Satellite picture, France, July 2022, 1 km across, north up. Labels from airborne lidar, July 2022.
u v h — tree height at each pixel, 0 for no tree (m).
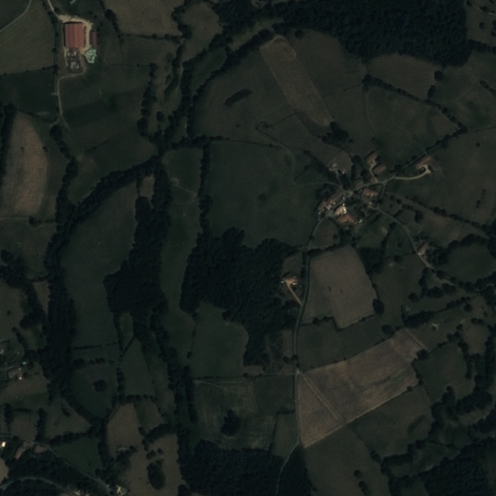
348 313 0
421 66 0
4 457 9
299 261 0
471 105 0
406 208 8
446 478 9
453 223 0
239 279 12
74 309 18
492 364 20
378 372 0
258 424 0
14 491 10
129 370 0
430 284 0
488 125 0
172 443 0
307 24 19
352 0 25
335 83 0
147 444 12
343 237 9
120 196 0
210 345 0
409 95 10
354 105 0
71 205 23
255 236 0
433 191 0
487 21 0
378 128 0
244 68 0
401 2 8
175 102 0
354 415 0
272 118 0
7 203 0
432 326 0
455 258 0
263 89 0
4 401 0
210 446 24
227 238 17
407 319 13
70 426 0
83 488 16
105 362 11
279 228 0
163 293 18
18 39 0
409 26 10
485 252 0
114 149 0
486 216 0
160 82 0
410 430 0
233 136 0
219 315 0
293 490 7
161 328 17
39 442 15
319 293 0
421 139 0
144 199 15
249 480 22
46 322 20
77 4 0
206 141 16
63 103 0
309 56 0
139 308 26
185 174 0
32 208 0
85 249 0
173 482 0
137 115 0
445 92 0
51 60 0
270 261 14
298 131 0
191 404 7
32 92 0
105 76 0
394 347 0
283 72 0
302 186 0
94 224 0
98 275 0
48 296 0
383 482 0
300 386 0
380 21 16
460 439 0
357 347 0
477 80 0
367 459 0
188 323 0
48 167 0
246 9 23
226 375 0
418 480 14
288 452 0
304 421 0
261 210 0
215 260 17
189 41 0
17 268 18
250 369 0
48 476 12
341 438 0
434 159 0
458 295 0
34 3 0
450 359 0
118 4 0
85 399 0
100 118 0
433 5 29
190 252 0
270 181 0
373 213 9
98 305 0
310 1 17
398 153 0
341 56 0
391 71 0
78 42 0
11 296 0
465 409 15
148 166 22
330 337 0
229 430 21
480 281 14
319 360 0
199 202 0
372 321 0
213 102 0
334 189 8
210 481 19
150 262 27
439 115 0
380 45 11
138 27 0
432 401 0
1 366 14
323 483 0
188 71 15
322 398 0
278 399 0
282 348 0
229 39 16
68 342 16
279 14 17
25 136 0
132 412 0
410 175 0
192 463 28
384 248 8
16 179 0
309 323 0
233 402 0
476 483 15
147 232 21
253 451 17
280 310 12
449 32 20
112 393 0
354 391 0
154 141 15
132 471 0
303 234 0
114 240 0
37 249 0
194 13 0
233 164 0
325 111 0
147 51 0
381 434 0
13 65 0
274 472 18
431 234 0
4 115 14
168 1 0
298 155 0
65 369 25
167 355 23
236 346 0
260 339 10
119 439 0
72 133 0
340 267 0
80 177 0
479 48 20
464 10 14
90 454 0
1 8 0
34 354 14
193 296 15
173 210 0
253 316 6
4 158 9
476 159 0
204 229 20
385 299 0
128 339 0
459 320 0
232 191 0
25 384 0
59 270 22
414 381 0
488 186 0
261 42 17
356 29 28
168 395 0
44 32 0
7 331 0
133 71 0
